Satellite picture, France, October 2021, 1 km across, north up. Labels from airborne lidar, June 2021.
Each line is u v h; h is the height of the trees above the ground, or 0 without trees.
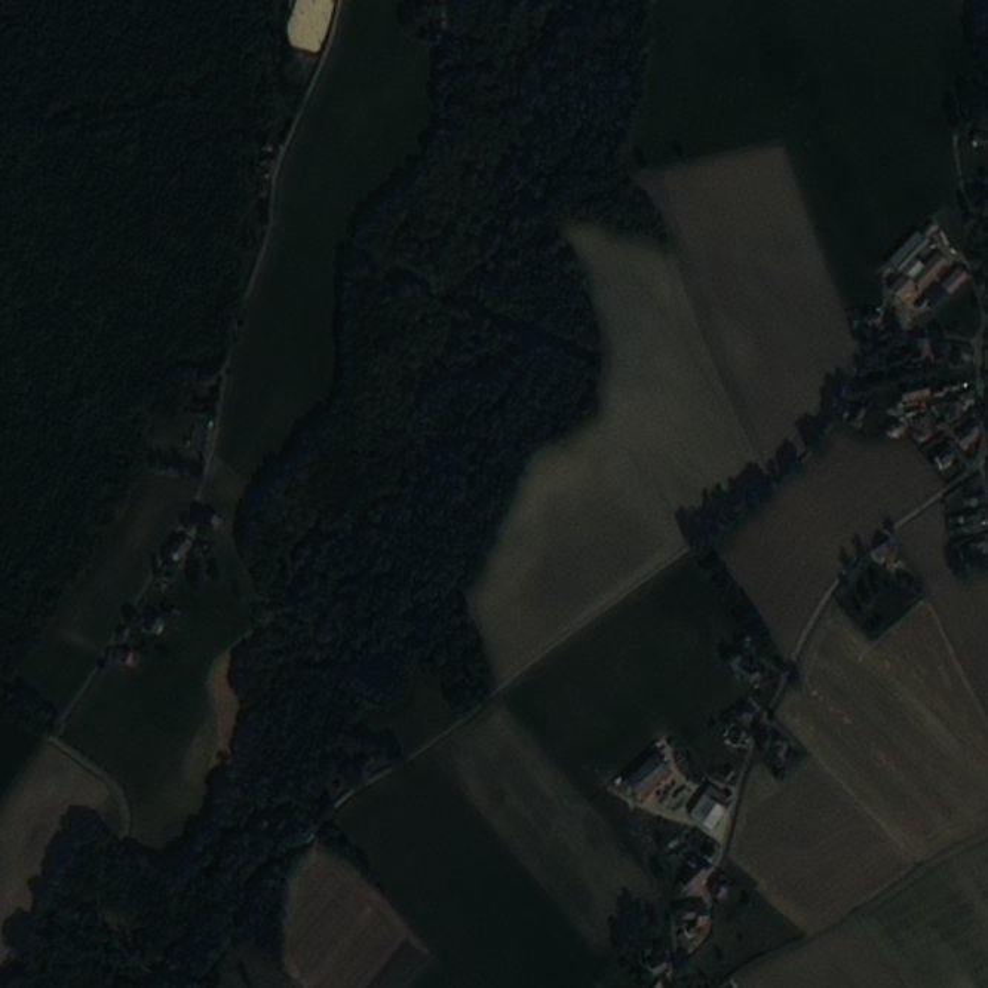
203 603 0
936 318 0
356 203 0
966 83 0
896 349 6
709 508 0
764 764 0
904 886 0
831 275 0
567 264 23
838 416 16
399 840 0
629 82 21
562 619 0
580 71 31
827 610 0
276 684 20
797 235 0
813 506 0
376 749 12
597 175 22
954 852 0
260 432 0
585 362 20
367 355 17
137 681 0
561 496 0
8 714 21
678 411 0
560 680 0
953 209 0
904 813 0
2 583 24
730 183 0
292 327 0
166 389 25
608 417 0
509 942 0
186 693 0
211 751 0
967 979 0
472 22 18
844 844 0
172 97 20
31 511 23
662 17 0
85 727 0
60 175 26
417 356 13
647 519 0
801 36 0
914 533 0
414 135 0
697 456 0
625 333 0
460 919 0
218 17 25
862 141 0
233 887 22
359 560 20
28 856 0
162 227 23
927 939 0
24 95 23
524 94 24
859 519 0
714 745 0
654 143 0
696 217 0
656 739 0
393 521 20
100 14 22
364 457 17
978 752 0
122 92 24
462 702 21
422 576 24
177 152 24
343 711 17
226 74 24
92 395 24
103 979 23
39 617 23
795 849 0
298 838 20
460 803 0
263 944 24
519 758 0
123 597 0
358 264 19
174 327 24
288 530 23
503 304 18
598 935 0
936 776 0
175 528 0
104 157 25
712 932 0
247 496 0
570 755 0
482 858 0
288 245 0
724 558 0
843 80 0
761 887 0
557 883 0
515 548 0
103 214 25
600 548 0
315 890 0
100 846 21
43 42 25
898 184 0
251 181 24
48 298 26
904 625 0
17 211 24
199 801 0
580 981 0
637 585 0
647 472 0
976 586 0
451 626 19
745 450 0
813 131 0
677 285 0
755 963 0
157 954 25
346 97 0
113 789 0
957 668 0
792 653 0
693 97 0
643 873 0
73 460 24
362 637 27
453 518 18
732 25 0
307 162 0
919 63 0
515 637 0
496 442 21
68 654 0
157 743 0
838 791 0
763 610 0
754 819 0
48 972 20
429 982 0
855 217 0
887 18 0
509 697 0
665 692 0
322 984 0
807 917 0
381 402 12
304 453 19
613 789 0
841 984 0
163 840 0
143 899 26
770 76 0
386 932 0
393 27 0
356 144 0
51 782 0
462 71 21
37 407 25
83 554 19
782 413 0
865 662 0
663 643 0
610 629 0
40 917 8
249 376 0
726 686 0
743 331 0
